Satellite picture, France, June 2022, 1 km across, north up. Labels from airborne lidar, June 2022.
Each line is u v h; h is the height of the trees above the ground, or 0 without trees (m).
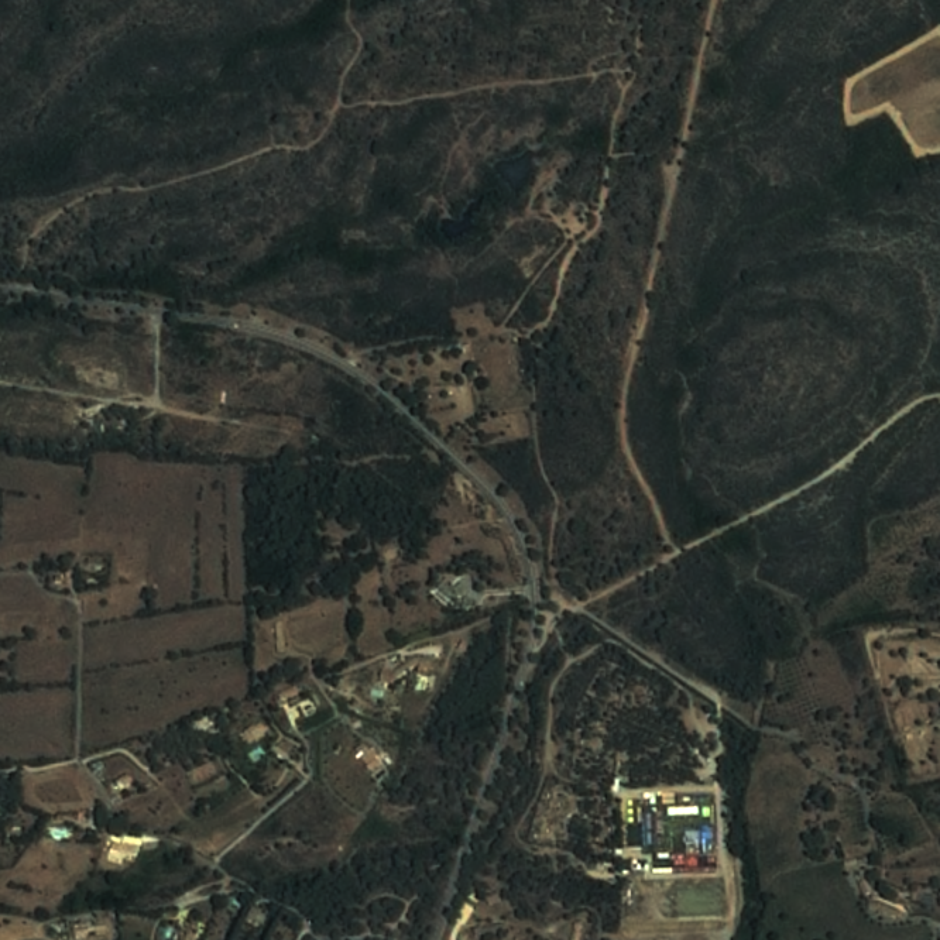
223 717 12
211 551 0
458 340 5
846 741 11
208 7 0
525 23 0
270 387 0
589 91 0
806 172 0
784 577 0
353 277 0
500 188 7
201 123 0
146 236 0
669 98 0
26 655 0
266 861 0
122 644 0
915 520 0
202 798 7
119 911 10
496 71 0
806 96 0
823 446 0
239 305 0
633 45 8
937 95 0
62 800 0
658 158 11
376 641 0
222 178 0
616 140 0
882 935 0
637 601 0
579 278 0
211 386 0
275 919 14
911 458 0
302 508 7
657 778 7
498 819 9
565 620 8
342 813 0
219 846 0
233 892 6
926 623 8
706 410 7
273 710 8
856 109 0
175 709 0
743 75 0
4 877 0
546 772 0
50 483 0
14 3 0
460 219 9
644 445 0
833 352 0
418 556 11
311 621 0
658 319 0
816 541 0
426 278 0
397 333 6
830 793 11
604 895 12
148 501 0
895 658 6
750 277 9
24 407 0
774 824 0
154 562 0
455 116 0
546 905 10
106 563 7
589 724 10
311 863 0
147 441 8
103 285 7
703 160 0
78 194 0
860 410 0
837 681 0
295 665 12
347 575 14
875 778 14
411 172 0
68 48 0
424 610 0
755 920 6
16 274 10
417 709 0
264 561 7
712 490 0
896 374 0
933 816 0
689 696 9
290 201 0
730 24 0
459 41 10
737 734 13
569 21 0
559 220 0
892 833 11
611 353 0
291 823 0
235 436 0
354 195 0
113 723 0
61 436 0
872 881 13
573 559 9
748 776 9
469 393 0
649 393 0
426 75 0
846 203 0
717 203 0
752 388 0
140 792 7
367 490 11
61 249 0
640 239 9
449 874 8
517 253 0
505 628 11
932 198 0
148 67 0
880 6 0
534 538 9
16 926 0
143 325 0
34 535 0
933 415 0
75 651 0
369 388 8
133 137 0
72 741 0
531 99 0
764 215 0
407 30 9
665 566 11
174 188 0
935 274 0
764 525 0
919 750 0
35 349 0
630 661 13
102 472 0
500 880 7
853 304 0
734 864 0
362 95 0
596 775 10
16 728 0
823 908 0
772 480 0
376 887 11
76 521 0
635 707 8
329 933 9
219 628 0
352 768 0
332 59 0
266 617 13
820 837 15
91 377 0
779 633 10
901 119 0
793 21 0
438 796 9
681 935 0
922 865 0
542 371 13
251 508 7
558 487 11
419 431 8
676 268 0
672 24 0
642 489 0
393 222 0
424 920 9
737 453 0
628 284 0
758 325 0
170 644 0
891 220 0
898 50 0
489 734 13
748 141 0
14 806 8
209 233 0
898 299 0
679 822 0
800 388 0
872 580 0
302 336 8
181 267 0
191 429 0
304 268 0
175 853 8
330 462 7
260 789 8
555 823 0
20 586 0
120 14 0
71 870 0
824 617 0
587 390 14
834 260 0
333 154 0
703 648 0
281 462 12
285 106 0
